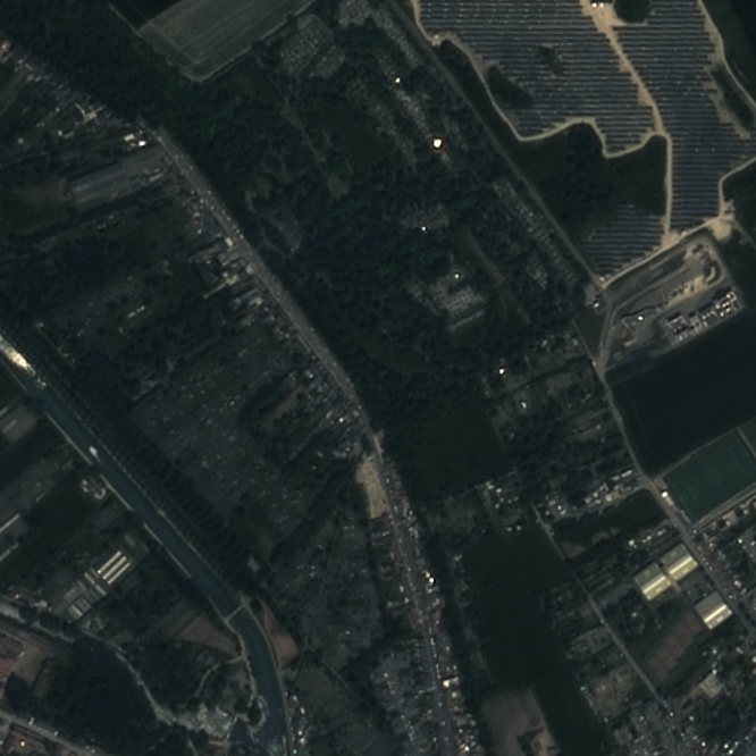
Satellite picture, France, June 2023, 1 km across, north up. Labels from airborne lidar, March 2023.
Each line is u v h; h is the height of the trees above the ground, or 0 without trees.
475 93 12
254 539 0
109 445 13
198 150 15
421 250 15
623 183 0
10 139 6
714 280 0
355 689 0
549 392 0
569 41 0
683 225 0
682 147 0
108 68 22
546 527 0
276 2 0
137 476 18
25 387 0
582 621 7
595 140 10
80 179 0
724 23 0
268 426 0
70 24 23
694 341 0
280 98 10
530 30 0
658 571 0
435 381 16
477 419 0
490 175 13
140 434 12
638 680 0
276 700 0
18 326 10
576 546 0
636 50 0
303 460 10
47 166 10
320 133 15
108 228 9
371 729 0
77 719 16
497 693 0
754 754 0
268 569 10
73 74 15
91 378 26
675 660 0
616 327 0
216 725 0
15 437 0
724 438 0
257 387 0
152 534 0
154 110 26
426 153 14
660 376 0
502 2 0
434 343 15
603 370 0
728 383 0
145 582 10
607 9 0
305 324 0
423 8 0
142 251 0
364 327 15
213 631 0
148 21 0
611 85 0
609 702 0
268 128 14
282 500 0
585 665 0
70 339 10
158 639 0
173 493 14
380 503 0
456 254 11
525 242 17
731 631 9
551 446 6
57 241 0
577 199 6
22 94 0
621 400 0
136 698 38
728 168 0
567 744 0
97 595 0
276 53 13
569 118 0
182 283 0
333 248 20
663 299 0
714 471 0
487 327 6
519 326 0
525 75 0
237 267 0
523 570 0
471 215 18
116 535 11
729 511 0
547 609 10
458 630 15
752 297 0
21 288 14
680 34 0
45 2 28
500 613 0
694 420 0
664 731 0
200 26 0
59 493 0
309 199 22
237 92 0
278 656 0
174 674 12
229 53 0
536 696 0
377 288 15
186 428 0
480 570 0
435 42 0
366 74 14
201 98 18
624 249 0
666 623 0
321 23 0
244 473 0
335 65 0
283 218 0
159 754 9
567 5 0
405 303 15
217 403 0
